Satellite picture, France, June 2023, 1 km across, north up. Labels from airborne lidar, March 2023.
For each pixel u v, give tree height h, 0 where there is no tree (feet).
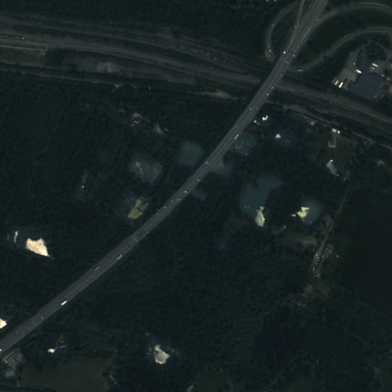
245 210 0
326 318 28
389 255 0
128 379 96
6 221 41
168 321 60
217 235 54
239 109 46
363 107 0
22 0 39
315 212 0
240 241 58
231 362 31
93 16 35
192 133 50
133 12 32
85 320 61
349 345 93
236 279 59
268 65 38
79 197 0
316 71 38
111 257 0
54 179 23
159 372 51
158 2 35
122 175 54
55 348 0
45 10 38
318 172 42
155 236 61
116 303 43
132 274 31
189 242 65
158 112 39
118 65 0
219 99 19
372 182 23
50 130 33
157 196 53
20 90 39
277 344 92
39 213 31
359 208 0
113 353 58
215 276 63
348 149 0
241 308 35
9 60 0
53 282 42
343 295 0
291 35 0
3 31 0
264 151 33
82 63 0
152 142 25
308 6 0
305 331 75
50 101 22
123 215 0
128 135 73
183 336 50
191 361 68
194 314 21
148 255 25
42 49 0
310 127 33
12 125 27
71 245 22
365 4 0
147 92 58
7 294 32
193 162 0
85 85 43
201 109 46
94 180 47
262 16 64
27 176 26
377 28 0
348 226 0
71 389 0
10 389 34
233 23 63
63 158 23
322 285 0
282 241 0
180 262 56
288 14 0
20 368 28
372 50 70
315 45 31
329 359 90
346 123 46
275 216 64
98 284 31
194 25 40
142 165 0
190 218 22
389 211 0
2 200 24
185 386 20
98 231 22
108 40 26
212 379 0
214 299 52
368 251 0
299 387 0
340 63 36
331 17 0
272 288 20
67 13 26
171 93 33
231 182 21
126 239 0
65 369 0
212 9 64
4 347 0
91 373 0
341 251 0
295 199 69
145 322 65
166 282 63
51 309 0
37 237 0
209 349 48
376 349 26
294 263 24
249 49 43
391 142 33
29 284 40
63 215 58
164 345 0
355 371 90
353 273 0
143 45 17
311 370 83
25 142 74
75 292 0
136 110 44
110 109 80
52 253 44
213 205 41
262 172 27
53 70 23
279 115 27
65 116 22
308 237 0
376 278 0
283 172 61
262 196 0
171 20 47
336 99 0
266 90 0
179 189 0
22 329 0
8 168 22
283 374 66
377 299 0
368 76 0
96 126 40
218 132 51
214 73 0
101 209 52
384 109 69
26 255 52
